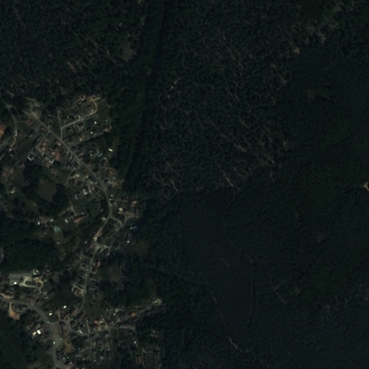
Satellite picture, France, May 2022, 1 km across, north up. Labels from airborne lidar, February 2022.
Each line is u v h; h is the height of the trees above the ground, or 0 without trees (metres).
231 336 21
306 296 17
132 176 21
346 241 19
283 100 13
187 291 20
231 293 19
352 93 20
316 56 17
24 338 14
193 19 20
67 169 0
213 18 24
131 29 10
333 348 18
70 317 0
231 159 23
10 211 0
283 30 23
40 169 14
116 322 0
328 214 18
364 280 21
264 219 15
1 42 24
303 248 17
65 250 0
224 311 20
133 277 26
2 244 17
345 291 22
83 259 0
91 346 0
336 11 0
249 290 19
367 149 18
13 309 0
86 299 0
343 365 19
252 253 16
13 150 0
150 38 33
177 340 23
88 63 29
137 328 14
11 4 30
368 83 17
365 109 16
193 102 31
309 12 12
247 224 17
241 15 24
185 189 26
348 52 38
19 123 0
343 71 19
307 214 13
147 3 18
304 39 26
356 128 17
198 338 22
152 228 26
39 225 7
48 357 0
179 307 11
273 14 32
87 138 0
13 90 17
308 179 23
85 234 6
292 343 19
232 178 22
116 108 13
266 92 25
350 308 20
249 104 25
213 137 26
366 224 19
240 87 20
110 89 17
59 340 0
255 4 29
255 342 21
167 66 31
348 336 20
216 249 18
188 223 22
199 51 27
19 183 0
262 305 19
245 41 25
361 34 12
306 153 23
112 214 0
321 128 23
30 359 18
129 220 0
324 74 17
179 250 21
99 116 0
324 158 18
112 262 20
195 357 24
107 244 0
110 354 0
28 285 0
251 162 26
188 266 26
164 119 26
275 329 19
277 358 22
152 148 31
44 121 8
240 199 16
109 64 19
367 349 19
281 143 8
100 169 0
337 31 18
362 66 20
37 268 21
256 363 23
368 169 20
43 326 0
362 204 21
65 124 0
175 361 25
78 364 9
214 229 16
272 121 29
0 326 0
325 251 18
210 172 26
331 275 22
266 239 13
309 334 17
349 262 19
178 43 27
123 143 14
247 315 18
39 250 29
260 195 18
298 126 22
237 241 18
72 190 0
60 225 0
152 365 0
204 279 20
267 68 22
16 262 24
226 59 29
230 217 18
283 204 13
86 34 36
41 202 27
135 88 17
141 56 24
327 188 20
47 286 0
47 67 25
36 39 8
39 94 20
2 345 0
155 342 15
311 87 20
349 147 21
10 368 24
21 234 24
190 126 30
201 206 22
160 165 24
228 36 22
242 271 22
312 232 11
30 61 14
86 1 23
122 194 0
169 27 32
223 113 21
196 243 20
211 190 27
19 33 28
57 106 22
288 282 11
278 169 13
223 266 19
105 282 0
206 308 17
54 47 20
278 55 21
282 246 19
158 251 28
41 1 28
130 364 20
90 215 6
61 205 28
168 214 25
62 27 11
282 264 16
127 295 22
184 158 31
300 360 19
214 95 30
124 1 29
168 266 31
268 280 17
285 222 13
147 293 21
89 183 0
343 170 24
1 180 0
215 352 26
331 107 25
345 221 20
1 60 30
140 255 0
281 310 17
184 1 25
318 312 21
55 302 0
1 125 0
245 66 27
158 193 24
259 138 29
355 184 21
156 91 27
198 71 25
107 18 29
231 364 24
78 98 0
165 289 29
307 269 17
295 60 15
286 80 25
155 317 11
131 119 24
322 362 21
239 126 27
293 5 32
